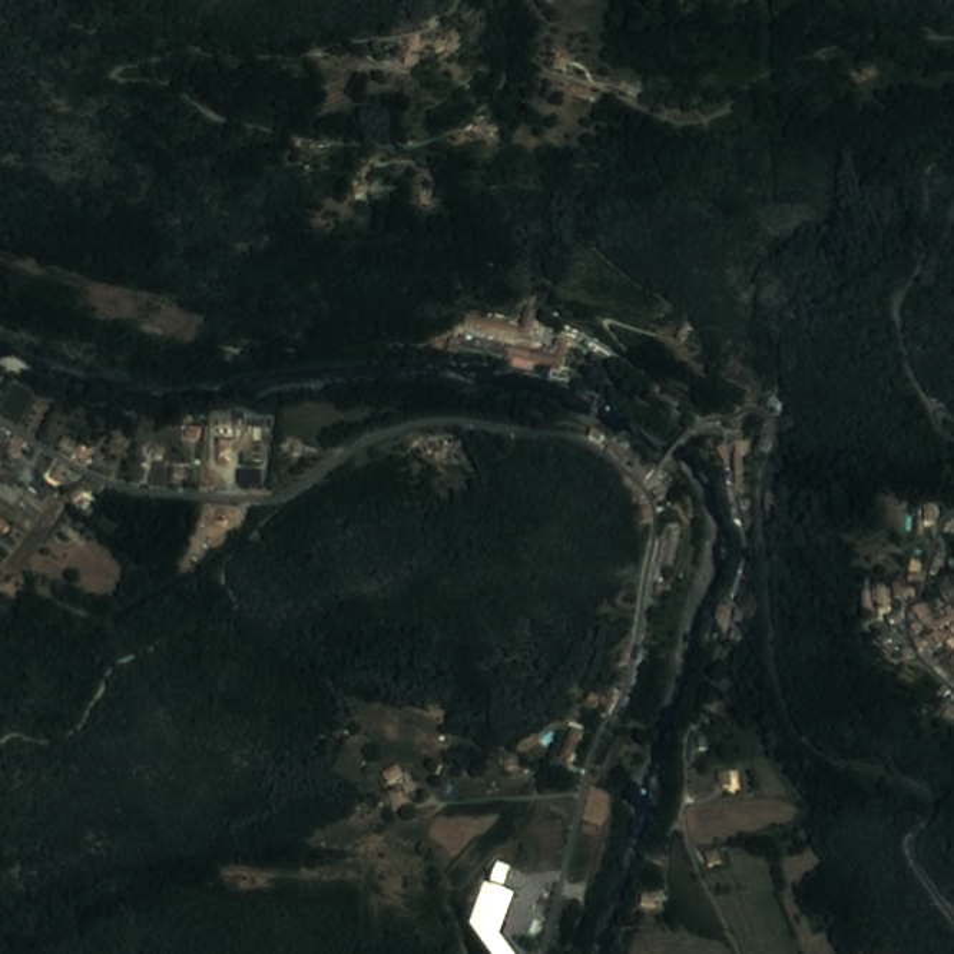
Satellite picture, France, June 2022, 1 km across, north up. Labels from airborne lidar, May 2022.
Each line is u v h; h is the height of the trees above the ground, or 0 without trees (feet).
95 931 50
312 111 56
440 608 48
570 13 0
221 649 36
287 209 40
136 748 30
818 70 63
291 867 18
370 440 0
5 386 30
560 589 35
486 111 23
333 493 30
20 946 69
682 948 0
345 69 0
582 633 47
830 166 34
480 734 39
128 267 43
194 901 46
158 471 0
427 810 0
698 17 39
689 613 0
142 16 48
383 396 43
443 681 87
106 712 26
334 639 63
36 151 22
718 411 47
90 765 23
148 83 36
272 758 35
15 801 37
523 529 36
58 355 36
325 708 42
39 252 46
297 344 31
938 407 0
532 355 0
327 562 24
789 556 25
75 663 37
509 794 0
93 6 59
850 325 50
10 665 50
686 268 33
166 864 58
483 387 29
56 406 30
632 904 41
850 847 39
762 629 40
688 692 57
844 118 62
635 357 57
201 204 30
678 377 45
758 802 0
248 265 59
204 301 36
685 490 31
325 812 73
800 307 33
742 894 0
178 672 43
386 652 102
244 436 0
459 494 54
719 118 0
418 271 53
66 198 31
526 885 0
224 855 51
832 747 53
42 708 27
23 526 0
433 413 39
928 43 40
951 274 24
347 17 39
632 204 30
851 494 49
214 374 50
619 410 94
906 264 48
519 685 30
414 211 22
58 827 35
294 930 24
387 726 0
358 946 34
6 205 45
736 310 25
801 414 50
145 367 36
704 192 38
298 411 0
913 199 25
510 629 44
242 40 52
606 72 31
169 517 28
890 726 53
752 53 32
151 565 50
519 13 68
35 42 33
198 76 59
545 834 0
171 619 37
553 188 33
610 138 36
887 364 30
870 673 26
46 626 66
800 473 60
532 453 45
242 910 50
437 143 32
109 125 38
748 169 36
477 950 32
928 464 44
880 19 51
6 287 26
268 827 71
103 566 0
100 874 51
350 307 41
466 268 58
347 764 0
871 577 31
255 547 47
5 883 28
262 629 22
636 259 43
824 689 57
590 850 0
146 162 44
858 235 110
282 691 44
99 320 20
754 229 27
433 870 39
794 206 28
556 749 56
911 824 46
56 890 52
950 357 21
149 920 57
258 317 60
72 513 44
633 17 63
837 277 34
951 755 35
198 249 57
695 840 0
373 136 63
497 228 64
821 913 57
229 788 25
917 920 42
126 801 31
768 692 42
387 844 0
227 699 45
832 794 71
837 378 38
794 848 31
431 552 24
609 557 38
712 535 0
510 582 42
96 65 29
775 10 57
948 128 51
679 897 0
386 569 22
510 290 76
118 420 35
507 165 25
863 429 49
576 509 28
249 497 0
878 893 49
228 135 39
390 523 31
